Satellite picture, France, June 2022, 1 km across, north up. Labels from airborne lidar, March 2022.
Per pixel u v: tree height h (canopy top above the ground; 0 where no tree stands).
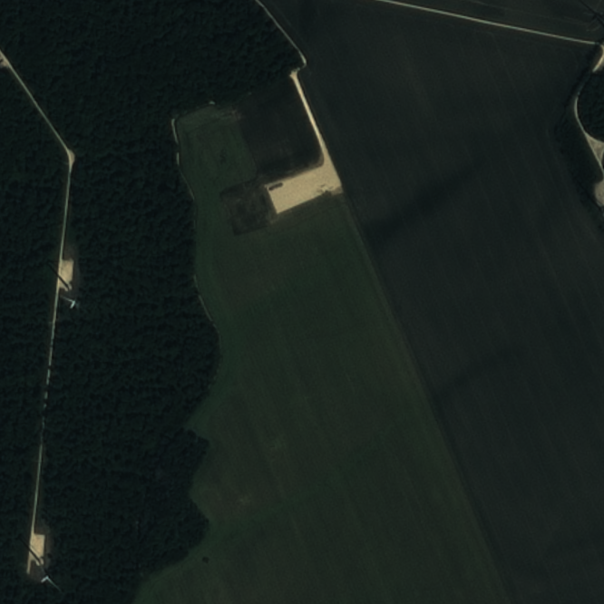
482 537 0
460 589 0
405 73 0
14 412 20
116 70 19
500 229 0
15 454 20
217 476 0
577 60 0
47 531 0
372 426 0
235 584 0
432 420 0
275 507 0
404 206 0
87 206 19
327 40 0
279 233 0
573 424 0
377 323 0
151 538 24
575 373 0
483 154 0
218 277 0
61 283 0
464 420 0
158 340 22
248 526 0
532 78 0
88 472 20
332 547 0
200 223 0
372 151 0
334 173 0
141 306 18
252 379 0
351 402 0
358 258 0
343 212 0
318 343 0
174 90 19
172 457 32
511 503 0
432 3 0
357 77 0
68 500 20
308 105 0
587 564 0
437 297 0
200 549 0
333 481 0
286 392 0
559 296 0
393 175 0
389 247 0
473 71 0
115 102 11
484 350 0
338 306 0
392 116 0
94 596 18
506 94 0
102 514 16
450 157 0
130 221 16
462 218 0
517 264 0
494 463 0
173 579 0
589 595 0
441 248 0
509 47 0
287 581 0
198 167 0
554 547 0
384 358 0
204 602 0
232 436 0
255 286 0
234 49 18
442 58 0
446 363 0
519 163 0
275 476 0
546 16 0
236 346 0
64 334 10
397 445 0
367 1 0
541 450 0
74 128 20
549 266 0
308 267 0
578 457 0
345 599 0
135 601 0
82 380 18
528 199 0
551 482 0
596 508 0
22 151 16
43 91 22
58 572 18
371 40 0
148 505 24
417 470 0
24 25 22
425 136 0
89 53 22
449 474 0
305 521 0
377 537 0
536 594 0
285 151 0
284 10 0
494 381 0
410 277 0
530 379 0
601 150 0
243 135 0
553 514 0
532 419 0
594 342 0
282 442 0
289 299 0
